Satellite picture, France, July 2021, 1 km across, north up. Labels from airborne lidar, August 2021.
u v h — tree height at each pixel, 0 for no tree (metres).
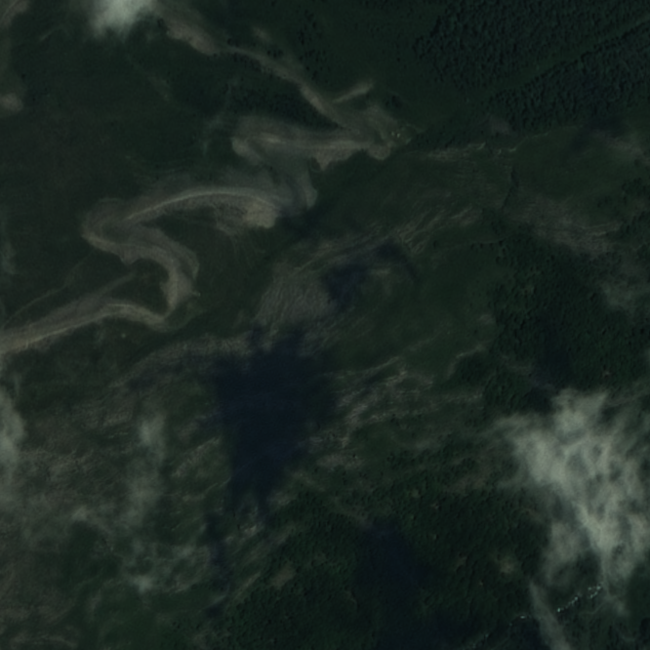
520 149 0
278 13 0
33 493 0
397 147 0
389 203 0
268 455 0
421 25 0
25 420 0
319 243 0
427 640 18
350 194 0
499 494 20
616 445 21
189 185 0
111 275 0
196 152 0
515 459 23
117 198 0
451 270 0
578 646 8
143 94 0
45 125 0
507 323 14
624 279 10
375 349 0
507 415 10
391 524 11
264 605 19
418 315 0
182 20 0
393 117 0
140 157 0
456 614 21
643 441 24
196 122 0
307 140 0
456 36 18
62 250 0
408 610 22
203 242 0
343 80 0
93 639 0
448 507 20
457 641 18
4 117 0
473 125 0
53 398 0
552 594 16
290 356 0
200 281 0
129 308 0
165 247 0
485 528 17
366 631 27
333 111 0
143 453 0
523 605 14
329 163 0
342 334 0
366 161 0
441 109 0
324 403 0
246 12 0
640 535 7
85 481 0
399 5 7
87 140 0
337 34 0
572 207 0
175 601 0
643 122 0
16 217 0
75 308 0
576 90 19
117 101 0
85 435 0
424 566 21
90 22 0
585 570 12
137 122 0
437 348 0
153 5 0
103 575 0
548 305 18
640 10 14
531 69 0
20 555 0
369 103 0
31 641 0
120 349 0
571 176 0
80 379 0
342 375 0
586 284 6
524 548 15
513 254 10
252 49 0
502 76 13
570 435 22
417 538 15
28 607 0
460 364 7
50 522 0
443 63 11
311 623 20
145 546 0
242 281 0
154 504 0
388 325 0
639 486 21
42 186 0
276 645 21
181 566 0
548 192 0
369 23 7
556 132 0
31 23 0
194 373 0
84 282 0
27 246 0
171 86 0
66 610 0
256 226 0
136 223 0
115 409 0
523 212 0
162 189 0
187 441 0
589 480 19
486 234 0
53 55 0
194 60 0
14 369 0
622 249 0
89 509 0
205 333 0
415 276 0
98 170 0
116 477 0
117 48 0
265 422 0
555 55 7
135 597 0
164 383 0
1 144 0
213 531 0
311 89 0
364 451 0
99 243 0
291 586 7
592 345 16
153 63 0
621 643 9
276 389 0
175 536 0
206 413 0
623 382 20
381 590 21
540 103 12
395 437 0
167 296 0
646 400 20
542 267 17
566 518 11
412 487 18
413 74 0
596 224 0
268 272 0
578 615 7
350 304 0
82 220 0
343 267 0
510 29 15
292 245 0
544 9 17
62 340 0
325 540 17
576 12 22
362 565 22
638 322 7
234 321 0
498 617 15
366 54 0
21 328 0
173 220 0
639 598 0
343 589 19
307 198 0
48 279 0
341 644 18
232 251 0
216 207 0
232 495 0
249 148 0
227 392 0
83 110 0
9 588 0
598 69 25
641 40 19
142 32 0
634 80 17
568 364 18
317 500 19
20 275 0
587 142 0
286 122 0
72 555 0
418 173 0
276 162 0
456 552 18
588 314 21
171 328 0
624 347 22
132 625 0
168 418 0
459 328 0
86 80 0
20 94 0
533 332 25
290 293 0
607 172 0
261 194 0
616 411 21
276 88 0
